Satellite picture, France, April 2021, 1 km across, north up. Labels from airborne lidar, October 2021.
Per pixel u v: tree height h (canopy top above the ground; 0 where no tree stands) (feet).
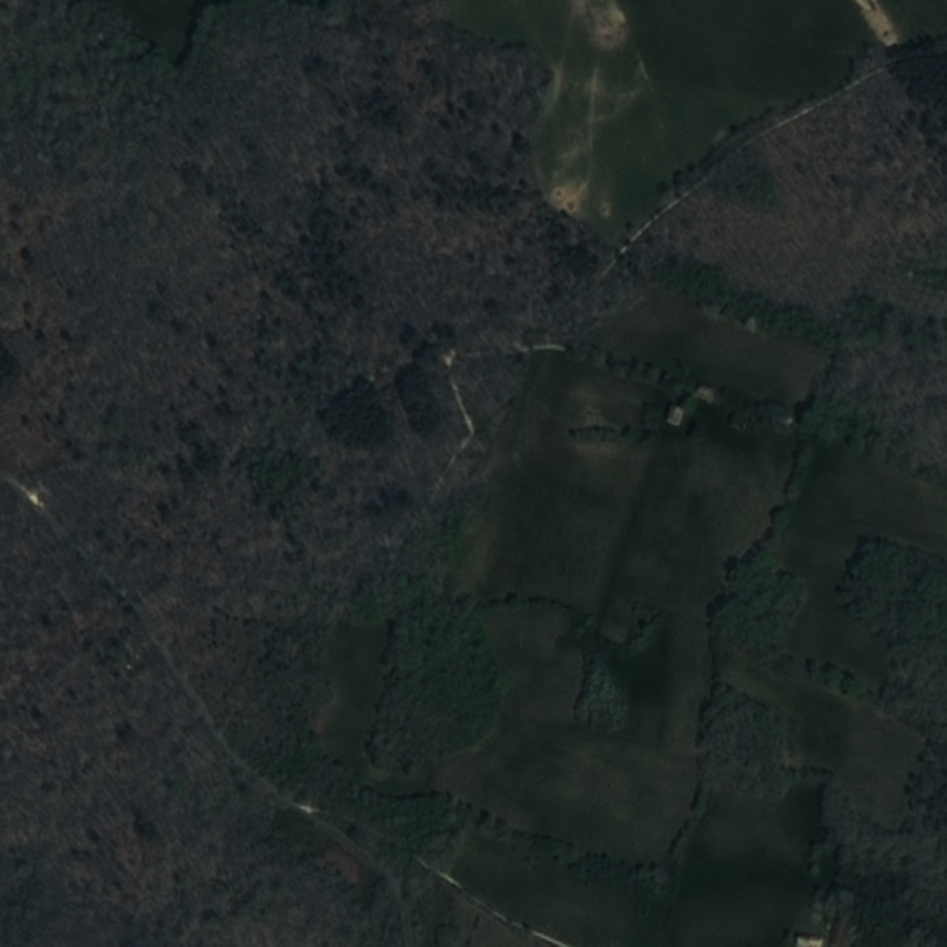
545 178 0
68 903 55
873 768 0
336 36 66
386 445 76
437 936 30
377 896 43
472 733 45
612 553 0
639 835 0
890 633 46
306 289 47
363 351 25
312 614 34
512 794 0
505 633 0
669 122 0
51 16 76
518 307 34
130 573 36
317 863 41
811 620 0
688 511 0
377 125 59
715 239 59
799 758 0
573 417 0
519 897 0
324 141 50
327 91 45
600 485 0
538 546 0
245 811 42
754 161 63
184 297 46
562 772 0
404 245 36
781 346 0
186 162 46
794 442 0
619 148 0
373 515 33
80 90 76
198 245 32
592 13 0
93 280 54
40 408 49
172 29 0
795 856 0
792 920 0
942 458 56
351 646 0
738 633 84
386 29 39
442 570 65
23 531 37
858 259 69
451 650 84
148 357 44
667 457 0
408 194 50
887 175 28
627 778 0
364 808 57
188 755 67
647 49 0
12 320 69
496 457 0
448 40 37
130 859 45
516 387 58
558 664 0
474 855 0
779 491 0
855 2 0
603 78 0
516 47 29
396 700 34
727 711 55
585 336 46
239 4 62
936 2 0
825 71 0
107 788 49
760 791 74
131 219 56
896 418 71
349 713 0
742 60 0
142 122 93
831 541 0
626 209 0
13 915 83
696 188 65
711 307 61
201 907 43
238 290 44
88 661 40
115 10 58
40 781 45
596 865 23
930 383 68
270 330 51
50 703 40
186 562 20
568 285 29
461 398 49
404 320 44
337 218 36
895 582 85
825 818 60
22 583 44
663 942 0
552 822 0
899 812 0
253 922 61
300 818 0
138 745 64
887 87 33
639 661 0
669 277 51
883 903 40
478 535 0
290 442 43
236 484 30
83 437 51
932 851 50
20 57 105
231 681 32
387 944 40
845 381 47
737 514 0
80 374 30
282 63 52
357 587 26
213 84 75
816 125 47
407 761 36
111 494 44
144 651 44
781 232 75
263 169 53
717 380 0
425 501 54
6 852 48
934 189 57
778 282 81
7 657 51
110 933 52
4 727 52
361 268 45
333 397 40
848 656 0
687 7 0
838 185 60
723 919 0
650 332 0
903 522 0
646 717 0
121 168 54
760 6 0
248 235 57
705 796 38
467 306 35
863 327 67
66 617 52
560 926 0
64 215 38
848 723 0
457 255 30
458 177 52
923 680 64
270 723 25
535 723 0
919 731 23
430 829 35
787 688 0
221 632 22
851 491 0
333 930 56
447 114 20
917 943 59
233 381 61
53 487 40
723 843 0
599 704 49
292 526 59
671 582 0
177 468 27
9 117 64
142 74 81
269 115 56
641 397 0
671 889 20
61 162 59
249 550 56
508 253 49
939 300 49
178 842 47
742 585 87
